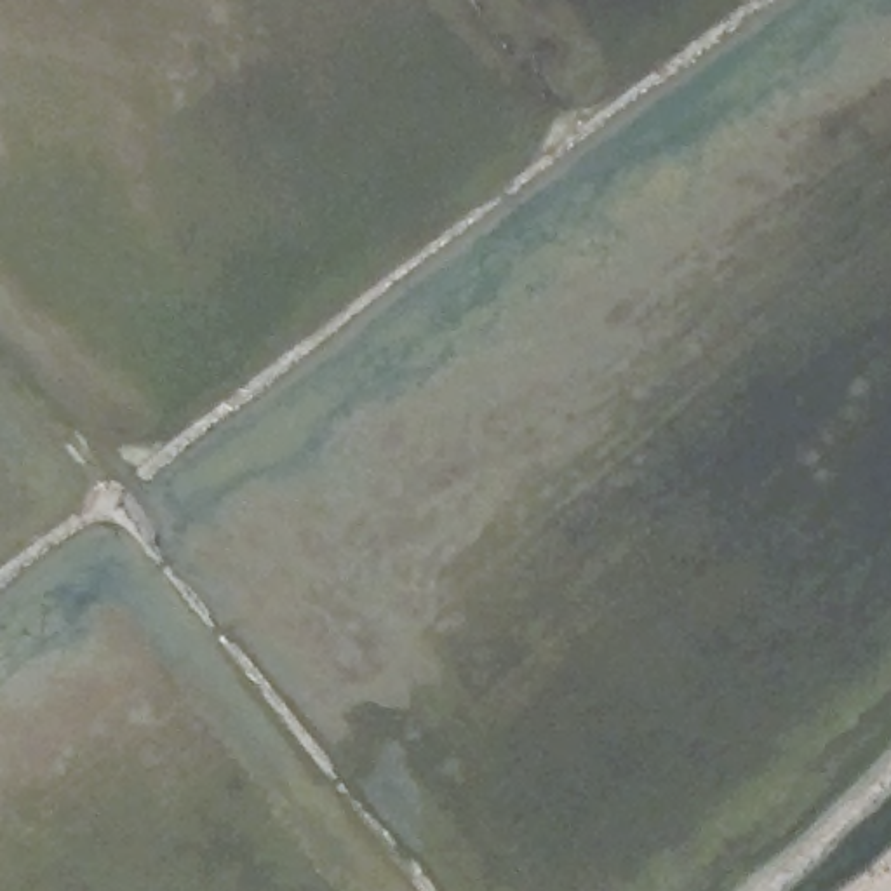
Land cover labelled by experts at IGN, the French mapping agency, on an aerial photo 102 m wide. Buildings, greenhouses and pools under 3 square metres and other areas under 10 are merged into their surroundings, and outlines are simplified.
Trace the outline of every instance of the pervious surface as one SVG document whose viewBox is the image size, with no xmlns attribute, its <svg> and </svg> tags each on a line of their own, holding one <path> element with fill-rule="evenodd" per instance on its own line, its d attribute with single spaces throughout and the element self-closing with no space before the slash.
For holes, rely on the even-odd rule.
<svg viewBox="0 0 891 891">
<path fill-rule="evenodd" d="M 891 849 L 870 870 L 849 881 L 853 891 L 891 891 Z"/>
<path fill-rule="evenodd" d="M 891 752 L 807 835 L 801 835 L 787 853 L 780 853 L 762 870 L 748 874 L 748 884 L 755 891 L 794 891 L 804 881 L 804 874 L 860 818 L 867 818 L 891 794 Z"/>
<path fill-rule="evenodd" d="M 202 439 L 226 414 L 247 407 L 265 386 L 271 386 L 313 348 L 331 341 L 341 327 L 365 313 L 376 299 L 383 299 L 411 271 L 425 268 L 442 251 L 470 251 L 477 233 L 487 233 L 501 223 L 501 205 L 491 195 L 487 202 L 473 205 L 463 219 L 446 226 L 435 240 L 428 240 L 421 251 L 414 251 L 407 261 L 390 268 L 341 313 L 334 313 L 303 341 L 296 341 L 289 352 L 282 352 L 258 376 L 251 376 L 240 390 L 209 407 L 188 428 L 181 428 L 171 442 L 125 446 L 122 459 L 136 466 L 139 477 L 153 477 L 160 466 L 174 463 L 195 439 Z"/>
<path fill-rule="evenodd" d="M 230 637 L 219 637 L 223 654 L 244 672 L 247 682 L 254 682 L 261 700 L 317 762 L 317 769 L 334 773 L 327 752 L 310 738 L 299 717 L 268 682 L 268 675 L 251 661 L 251 654 Z"/>
<path fill-rule="evenodd" d="M 717 49 L 724 35 L 734 35 L 748 17 L 769 10 L 776 0 L 745 0 L 724 21 L 707 28 L 682 52 L 675 52 L 668 63 L 630 84 L 602 108 L 564 111 L 539 143 L 539 157 L 505 184 L 515 195 L 522 195 L 543 171 L 560 164 L 609 118 L 626 111 L 654 87 L 672 84 L 703 52 Z"/>
<path fill-rule="evenodd" d="M 164 585 L 174 592 L 178 606 L 188 609 L 202 626 L 212 626 L 209 606 L 198 599 L 198 592 L 178 571 L 167 567 Z"/>
<path fill-rule="evenodd" d="M 146 515 L 136 505 L 136 498 L 125 494 L 118 484 L 104 480 L 90 487 L 84 512 L 35 536 L 21 553 L 0 564 L 0 588 L 21 567 L 35 564 L 49 546 L 101 519 L 118 522 L 146 560 L 157 560 L 160 550 L 153 546 Z"/>
</svg>

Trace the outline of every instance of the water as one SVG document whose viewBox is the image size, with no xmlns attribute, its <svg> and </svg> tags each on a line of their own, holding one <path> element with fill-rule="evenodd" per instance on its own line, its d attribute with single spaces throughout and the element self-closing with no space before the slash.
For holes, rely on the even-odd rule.
<svg viewBox="0 0 891 891">
<path fill-rule="evenodd" d="M 146 515 L 153 546 L 160 550 L 157 560 L 146 560 L 118 522 L 101 519 L 49 546 L 35 564 L 21 567 L 0 588 L 0 891 L 755 891 L 748 884 L 748 874 L 762 870 L 780 853 L 787 853 L 801 835 L 807 835 L 891 752 L 891 0 L 776 0 L 769 10 L 748 17 L 734 35 L 724 35 L 717 49 L 703 52 L 672 84 L 654 87 L 626 111 L 609 118 L 560 164 L 543 171 L 522 195 L 515 195 L 505 184 L 539 157 L 539 143 L 564 111 L 602 108 L 630 84 L 668 63 L 675 52 L 682 52 L 707 28 L 724 21 L 745 0 L 0 0 L 0 564 L 21 553 L 35 536 L 84 512 L 90 487 L 104 480 L 118 484 L 125 494 L 136 498 L 136 505 Z M 122 459 L 125 446 L 171 442 L 181 428 L 188 428 L 209 407 L 240 390 L 251 376 L 258 376 L 282 352 L 289 352 L 296 341 L 303 341 L 334 313 L 341 313 L 390 268 L 407 261 L 414 251 L 421 251 L 428 240 L 435 240 L 446 226 L 463 219 L 473 205 L 487 202 L 491 195 L 501 205 L 501 223 L 487 233 L 477 233 L 470 251 L 442 251 L 425 268 L 411 271 L 383 299 L 376 299 L 365 313 L 341 327 L 331 341 L 313 348 L 271 386 L 265 386 L 247 407 L 226 414 L 202 439 L 195 439 L 174 463 L 160 466 L 153 477 L 139 477 L 136 466 Z M 198 599 L 209 606 L 212 626 L 202 626 L 188 609 L 178 606 L 174 592 L 164 585 L 167 567 L 178 571 L 198 592 Z M 223 654 L 219 637 L 230 637 L 251 654 L 251 661 L 268 675 L 268 682 L 299 717 L 310 738 L 327 752 L 334 773 L 317 769 L 317 762 L 261 700 L 254 682 L 247 682 L 244 672 Z"/>
<path fill-rule="evenodd" d="M 891 794 L 867 818 L 860 818 L 804 874 L 804 881 L 794 891 L 853 891 L 849 881 L 870 870 L 891 849 Z"/>
</svg>

